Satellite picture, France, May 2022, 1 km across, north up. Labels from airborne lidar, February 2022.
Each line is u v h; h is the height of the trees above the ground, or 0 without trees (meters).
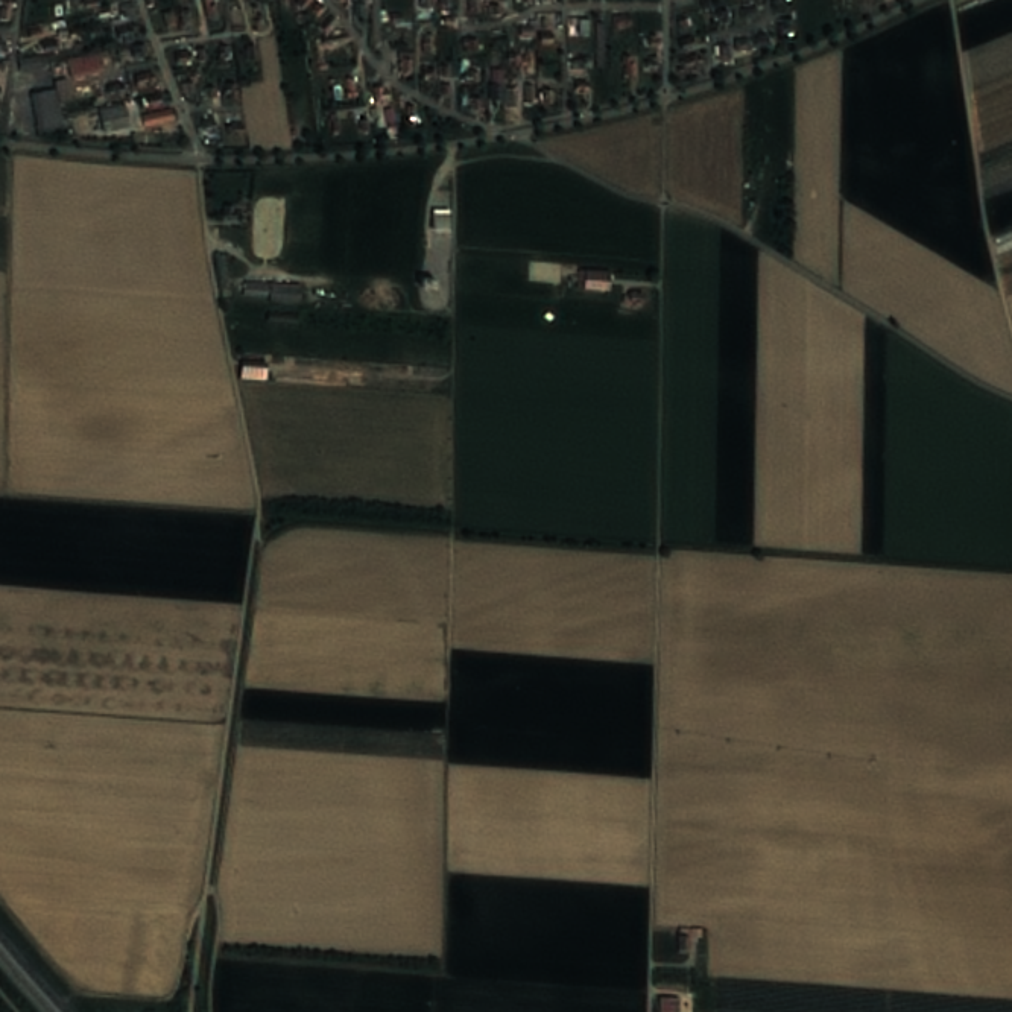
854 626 0
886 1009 0
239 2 0
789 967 0
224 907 0
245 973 0
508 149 0
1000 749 0
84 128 0
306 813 0
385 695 0
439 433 0
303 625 0
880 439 0
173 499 0
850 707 0
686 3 0
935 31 0
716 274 0
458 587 0
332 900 0
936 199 0
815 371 0
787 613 0
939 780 0
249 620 0
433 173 0
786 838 0
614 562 0
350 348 0
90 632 0
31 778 0
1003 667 0
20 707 0
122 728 0
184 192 0
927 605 0
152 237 0
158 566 0
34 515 0
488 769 0
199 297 0
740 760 0
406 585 0
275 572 0
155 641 0
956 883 0
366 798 0
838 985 0
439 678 0
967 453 0
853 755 0
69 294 0
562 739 0
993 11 0
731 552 0
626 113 0
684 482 0
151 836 0
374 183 0
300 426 0
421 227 0
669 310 0
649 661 0
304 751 0
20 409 0
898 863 0
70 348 0
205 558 0
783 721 0
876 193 0
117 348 0
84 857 0
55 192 0
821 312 0
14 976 0
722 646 0
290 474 0
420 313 0
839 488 0
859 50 0
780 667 0
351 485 0
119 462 0
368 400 0
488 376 0
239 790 0
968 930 0
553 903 0
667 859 0
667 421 0
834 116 0
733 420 0
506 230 0
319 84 0
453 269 0
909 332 0
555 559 0
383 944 0
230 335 0
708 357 0
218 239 0
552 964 0
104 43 11
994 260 0
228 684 0
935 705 0
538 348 0
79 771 0
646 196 0
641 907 0
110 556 0
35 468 0
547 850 0
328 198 0
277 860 0
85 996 0
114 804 0
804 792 0
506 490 0
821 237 0
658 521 0
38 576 0
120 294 0
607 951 0
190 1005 0
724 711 0
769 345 0
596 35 0
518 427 0
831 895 0
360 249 0
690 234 0
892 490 0
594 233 0
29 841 0
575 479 0
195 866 0
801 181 0
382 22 0
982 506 0
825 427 0
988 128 0
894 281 0
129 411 0
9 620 0
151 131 0
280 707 0
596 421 0
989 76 0
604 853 0
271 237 0
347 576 0
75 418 0
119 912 0
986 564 0
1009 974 0
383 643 0
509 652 0
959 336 0
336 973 0
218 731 0
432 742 0
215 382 0
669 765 0
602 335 0
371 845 0
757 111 0
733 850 0
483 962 0
